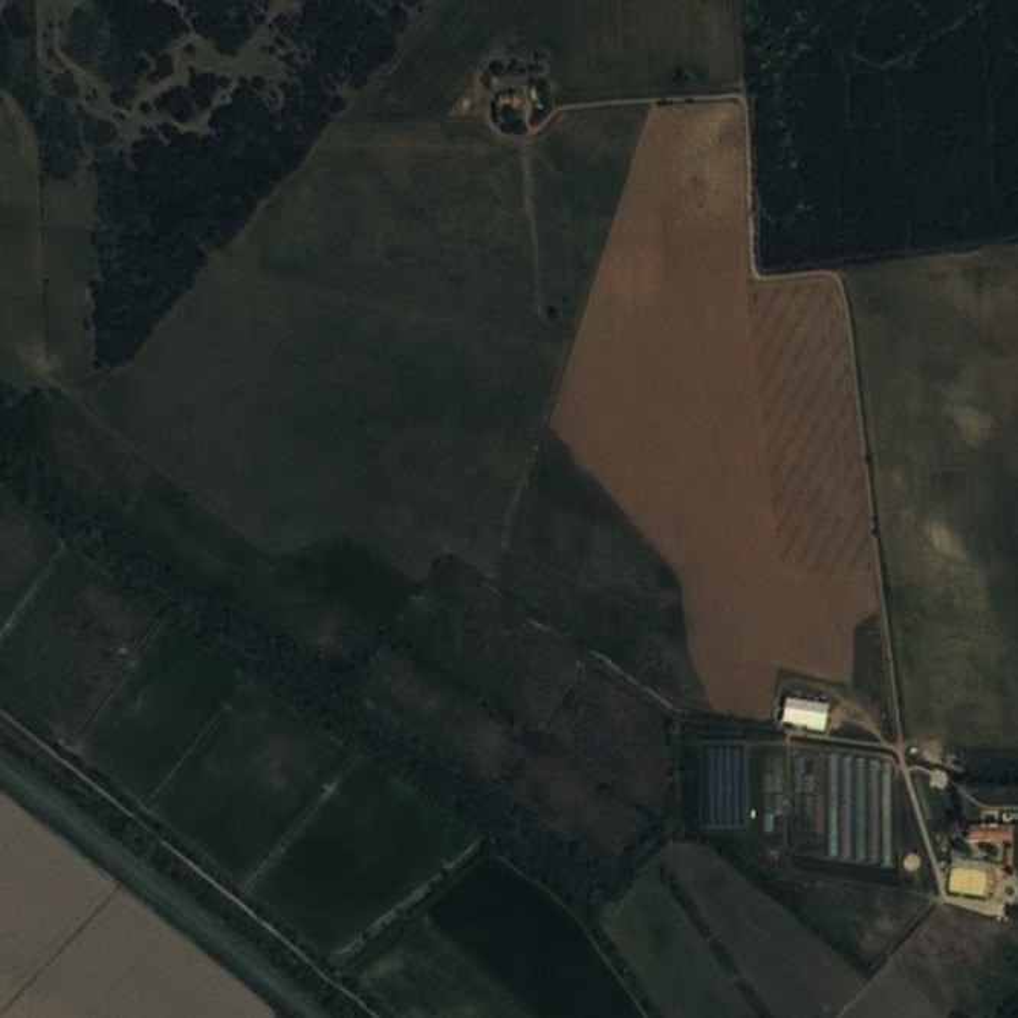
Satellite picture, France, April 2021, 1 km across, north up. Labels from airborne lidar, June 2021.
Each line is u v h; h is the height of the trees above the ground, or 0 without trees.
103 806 9
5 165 0
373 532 0
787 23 8
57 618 0
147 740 0
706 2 0
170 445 0
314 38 8
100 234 7
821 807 0
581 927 0
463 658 0
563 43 0
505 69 8
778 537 0
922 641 0
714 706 0
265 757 0
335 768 0
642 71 0
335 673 10
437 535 0
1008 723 0
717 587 0
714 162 0
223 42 7
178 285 8
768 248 6
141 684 0
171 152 7
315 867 0
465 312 0
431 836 0
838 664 0
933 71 7
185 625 17
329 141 0
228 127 8
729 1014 0
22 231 0
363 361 0
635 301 0
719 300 0
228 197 7
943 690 0
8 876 0
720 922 0
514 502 0
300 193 0
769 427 0
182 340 0
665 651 0
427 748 11
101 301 8
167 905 0
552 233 0
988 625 0
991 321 0
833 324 0
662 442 0
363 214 0
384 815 0
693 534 0
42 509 10
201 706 0
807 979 0
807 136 6
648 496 0
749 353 0
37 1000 0
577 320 0
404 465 0
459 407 0
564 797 0
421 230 0
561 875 12
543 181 0
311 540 0
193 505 0
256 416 0
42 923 0
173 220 13
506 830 13
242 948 0
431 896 8
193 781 0
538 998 0
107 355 8
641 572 0
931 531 0
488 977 0
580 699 0
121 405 0
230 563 0
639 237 0
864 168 5
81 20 6
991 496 0
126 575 12
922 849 0
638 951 0
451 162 0
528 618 0
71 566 0
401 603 0
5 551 0
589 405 0
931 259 0
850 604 0
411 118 0
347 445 0
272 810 0
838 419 0
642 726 0
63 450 0
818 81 6
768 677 0
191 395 0
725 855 10
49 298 0
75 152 11
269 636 15
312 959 8
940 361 0
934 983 0
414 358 0
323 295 0
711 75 0
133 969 0
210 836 0
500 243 0
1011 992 0
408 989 0
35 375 0
